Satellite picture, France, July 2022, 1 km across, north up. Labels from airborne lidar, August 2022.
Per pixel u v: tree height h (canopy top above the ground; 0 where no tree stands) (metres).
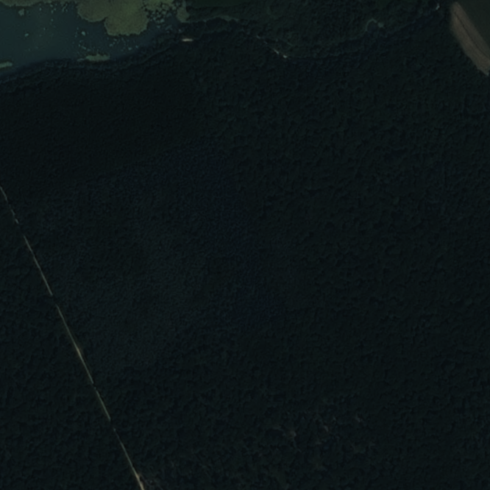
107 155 22
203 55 23
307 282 20
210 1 0
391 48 24
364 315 26
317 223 28
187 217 25
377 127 25
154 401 29
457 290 25
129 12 0
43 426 25
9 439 27
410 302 31
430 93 23
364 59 31
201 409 27
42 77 17
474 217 26
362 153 23
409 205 25
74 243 14
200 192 21
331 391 22
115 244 17
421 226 25
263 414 21
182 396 30
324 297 23
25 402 30
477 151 16
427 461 26
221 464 26
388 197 23
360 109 20
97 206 25
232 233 22
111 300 22
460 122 24
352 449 28
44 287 22
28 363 16
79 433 27
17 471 24
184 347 24
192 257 21
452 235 24
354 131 25
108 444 26
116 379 20
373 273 26
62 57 0
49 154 17
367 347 26
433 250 25
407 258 26
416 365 25
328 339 22
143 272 23
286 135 20
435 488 30
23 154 23
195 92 21
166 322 19
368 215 25
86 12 0
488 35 0
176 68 22
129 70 19
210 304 21
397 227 28
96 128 22
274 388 25
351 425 26
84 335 19
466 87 21
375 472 28
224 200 20
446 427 25
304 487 21
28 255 16
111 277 22
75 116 26
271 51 23
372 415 25
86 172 22
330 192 29
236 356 22
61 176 19
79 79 21
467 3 0
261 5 6
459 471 29
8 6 0
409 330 26
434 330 24
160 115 22
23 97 25
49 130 19
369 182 23
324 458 21
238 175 22
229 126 23
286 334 21
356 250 28
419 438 27
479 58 0
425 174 25
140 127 25
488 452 27
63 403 26
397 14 7
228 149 18
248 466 28
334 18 16
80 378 26
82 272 20
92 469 25
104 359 21
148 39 0
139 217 22
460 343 28
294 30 12
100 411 23
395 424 23
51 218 19
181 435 28
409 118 25
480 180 14
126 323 22
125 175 21
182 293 18
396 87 23
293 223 21
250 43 25
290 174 24
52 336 25
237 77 27
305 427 23
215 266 26
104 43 0
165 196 19
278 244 21
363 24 16
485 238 22
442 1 11
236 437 29
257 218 23
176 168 24
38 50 0
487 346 27
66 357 23
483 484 30
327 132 27
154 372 24
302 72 25
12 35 0
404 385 27
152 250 23
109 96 23
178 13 0
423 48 21
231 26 20
